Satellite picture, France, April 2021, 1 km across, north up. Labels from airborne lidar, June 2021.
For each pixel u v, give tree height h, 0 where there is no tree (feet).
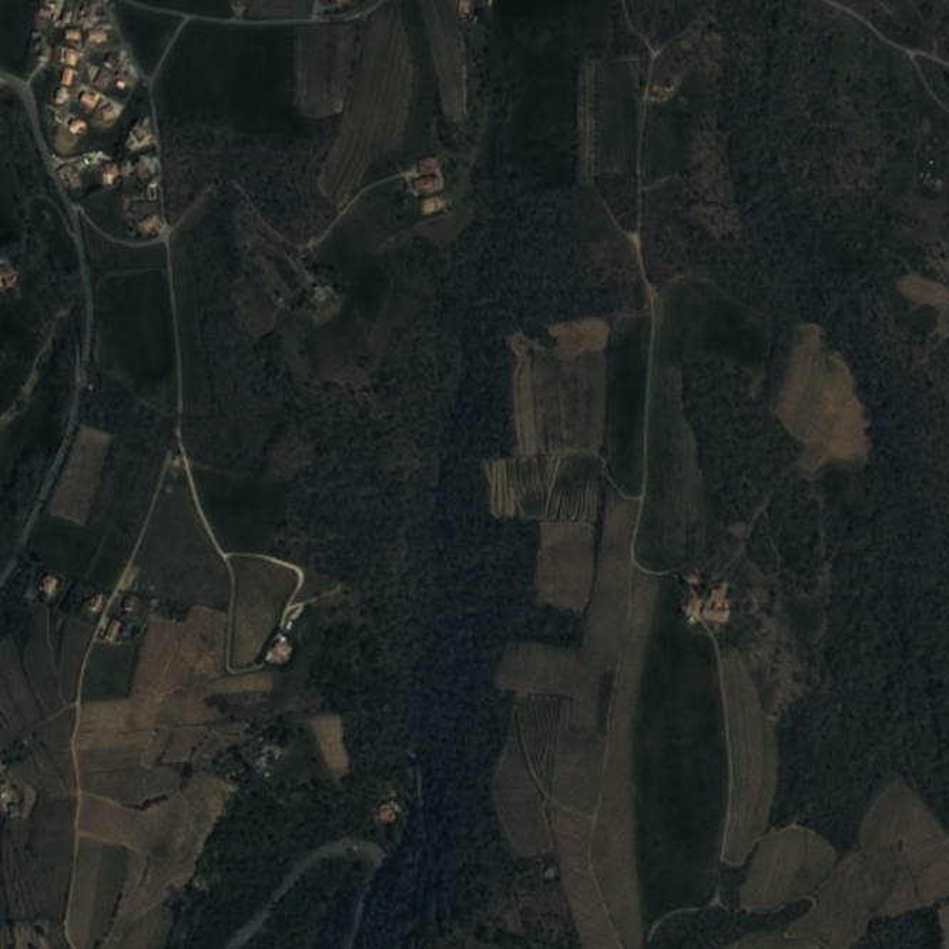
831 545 28
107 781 0
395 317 0
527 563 38
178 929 35
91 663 0
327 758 0
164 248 0
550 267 45
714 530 0
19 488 56
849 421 0
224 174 54
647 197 24
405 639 36
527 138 0
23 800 0
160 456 0
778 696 0
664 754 0
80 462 0
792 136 26
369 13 0
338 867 49
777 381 50
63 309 101
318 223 35
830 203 25
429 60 0
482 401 33
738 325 0
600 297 48
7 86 0
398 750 52
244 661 0
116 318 0
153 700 0
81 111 0
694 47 19
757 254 43
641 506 0
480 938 40
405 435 37
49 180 25
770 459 52
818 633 0
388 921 51
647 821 0
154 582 0
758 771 0
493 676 39
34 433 0
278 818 60
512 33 0
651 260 33
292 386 50
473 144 53
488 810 44
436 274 42
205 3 0
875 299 35
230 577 0
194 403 0
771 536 38
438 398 52
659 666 0
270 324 0
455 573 46
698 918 32
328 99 0
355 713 35
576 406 0
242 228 35
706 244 38
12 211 0
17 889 0
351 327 0
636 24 34
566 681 0
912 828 0
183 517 0
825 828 26
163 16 0
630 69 0
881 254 28
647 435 0
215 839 42
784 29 30
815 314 51
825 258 56
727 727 0
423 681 35
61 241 0
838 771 24
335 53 0
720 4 37
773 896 0
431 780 23
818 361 0
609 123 0
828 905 0
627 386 0
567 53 0
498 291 47
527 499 0
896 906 0
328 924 28
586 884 0
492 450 23
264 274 34
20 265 50
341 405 34
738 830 0
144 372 0
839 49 0
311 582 0
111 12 0
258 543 0
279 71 0
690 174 24
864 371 51
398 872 37
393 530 36
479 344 46
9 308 0
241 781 39
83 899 0
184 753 0
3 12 0
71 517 0
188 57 0
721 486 29
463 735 43
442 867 44
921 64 0
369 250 0
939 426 29
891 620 75
